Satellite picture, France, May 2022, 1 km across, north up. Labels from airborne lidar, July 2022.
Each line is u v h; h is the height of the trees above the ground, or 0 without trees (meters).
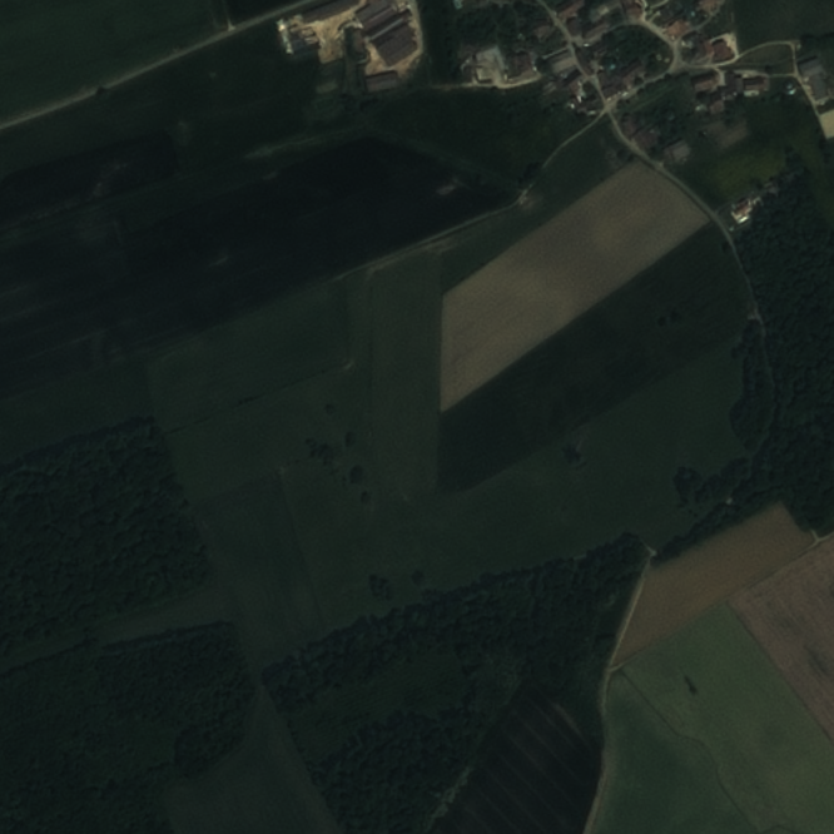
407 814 14
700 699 0
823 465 28
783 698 0
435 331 0
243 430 0
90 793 13
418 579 13
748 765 0
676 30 0
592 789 0
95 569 21
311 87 0
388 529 0
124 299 0
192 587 18
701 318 0
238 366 0
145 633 0
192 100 0
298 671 23
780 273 24
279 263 0
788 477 23
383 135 0
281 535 0
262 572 0
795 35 0
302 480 0
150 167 0
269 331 0
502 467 0
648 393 0
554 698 8
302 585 0
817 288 25
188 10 0
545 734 0
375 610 0
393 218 0
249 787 0
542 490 0
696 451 0
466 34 6
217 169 0
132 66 0
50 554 24
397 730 26
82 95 0
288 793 0
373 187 0
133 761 12
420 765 24
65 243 0
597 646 16
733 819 0
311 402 0
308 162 0
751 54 0
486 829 0
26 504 27
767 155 0
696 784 0
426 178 0
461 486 0
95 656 12
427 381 0
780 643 0
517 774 0
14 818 16
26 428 0
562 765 0
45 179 0
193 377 0
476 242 0
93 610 25
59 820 15
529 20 7
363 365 0
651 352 0
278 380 0
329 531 0
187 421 0
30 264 0
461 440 0
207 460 0
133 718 14
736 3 0
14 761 10
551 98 0
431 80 0
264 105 0
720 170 0
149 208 0
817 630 0
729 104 7
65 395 0
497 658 16
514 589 21
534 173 15
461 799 0
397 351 0
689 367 0
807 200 20
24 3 0
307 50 0
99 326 0
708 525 13
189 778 18
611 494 0
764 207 16
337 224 0
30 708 11
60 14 0
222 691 7
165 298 0
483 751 0
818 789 0
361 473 15
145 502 27
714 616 0
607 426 0
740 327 0
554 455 0
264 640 0
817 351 22
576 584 19
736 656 0
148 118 0
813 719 0
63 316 0
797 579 0
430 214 0
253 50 0
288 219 0
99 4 0
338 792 19
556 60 0
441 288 0
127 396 0
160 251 0
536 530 0
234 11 0
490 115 0
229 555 0
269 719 0
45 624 22
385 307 0
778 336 15
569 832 0
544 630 25
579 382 0
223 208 0
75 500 27
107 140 0
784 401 19
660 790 0
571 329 0
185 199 0
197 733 18
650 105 0
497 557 0
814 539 0
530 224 0
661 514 0
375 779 19
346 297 0
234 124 0
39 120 0
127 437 23
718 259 0
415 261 0
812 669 0
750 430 19
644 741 0
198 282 0
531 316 0
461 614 19
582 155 0
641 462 0
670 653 0
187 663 18
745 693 0
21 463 11
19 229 0
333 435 0
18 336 0
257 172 0
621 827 0
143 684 16
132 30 0
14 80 0
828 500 24
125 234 0
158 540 26
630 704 0
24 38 0
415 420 0
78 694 11
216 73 0
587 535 0
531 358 0
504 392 0
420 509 0
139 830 13
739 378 0
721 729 0
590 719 17
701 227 0
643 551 15
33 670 10
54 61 0
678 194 0
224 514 0
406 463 0
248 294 0
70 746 7
